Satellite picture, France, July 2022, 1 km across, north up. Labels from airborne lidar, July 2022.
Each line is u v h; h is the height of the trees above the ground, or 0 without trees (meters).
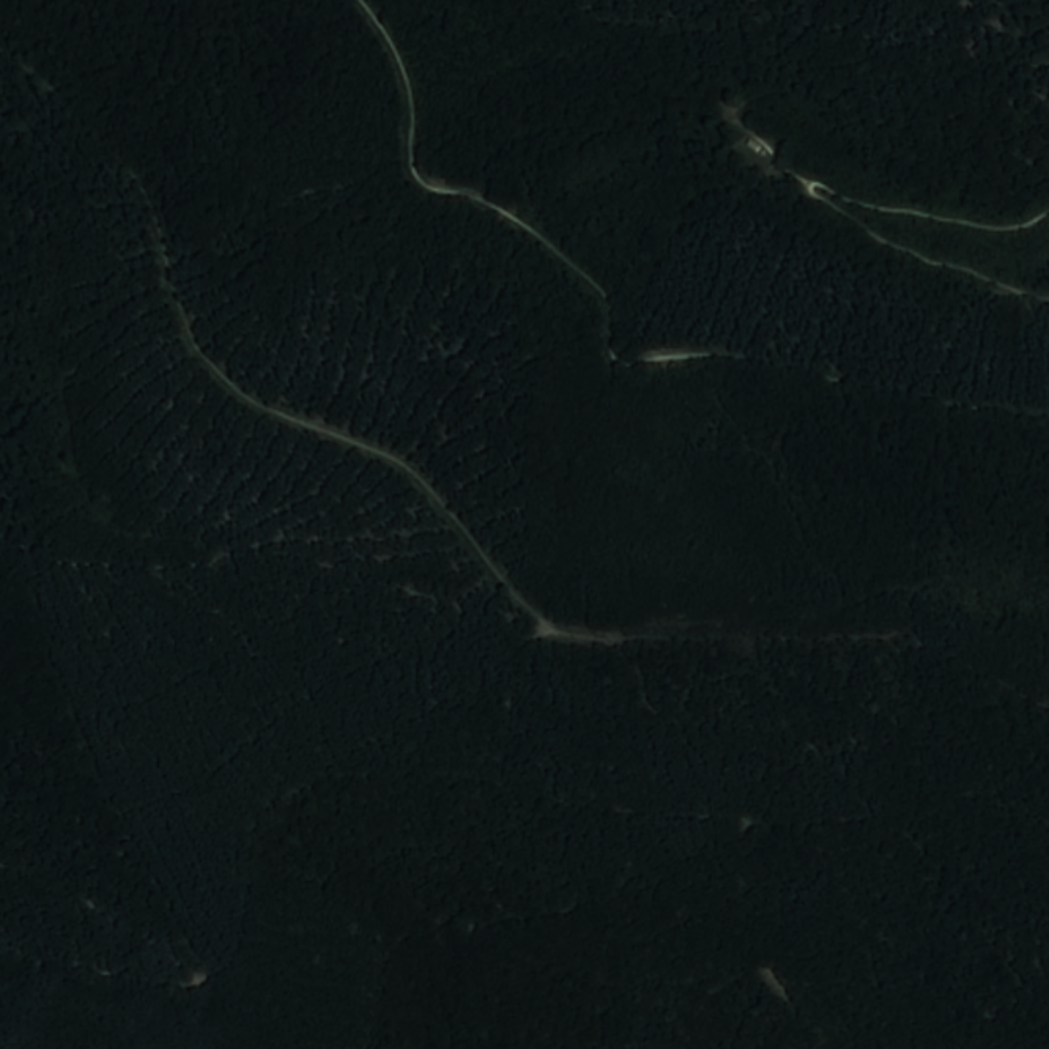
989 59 17
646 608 6
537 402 22
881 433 8
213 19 9
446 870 17
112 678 19
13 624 20
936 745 11
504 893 16
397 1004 18
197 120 16
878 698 14
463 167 17
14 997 20
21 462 28
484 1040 17
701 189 11
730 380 13
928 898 15
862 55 14
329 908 25
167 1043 19
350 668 22
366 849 14
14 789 20
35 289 28
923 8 7
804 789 15
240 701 22
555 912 15
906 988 15
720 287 21
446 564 15
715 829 21
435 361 19
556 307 12
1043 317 15
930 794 16
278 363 18
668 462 9
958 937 12
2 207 23
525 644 8
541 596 8
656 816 15
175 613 17
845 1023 14
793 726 16
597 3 13
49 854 22
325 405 18
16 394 33
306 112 17
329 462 20
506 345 22
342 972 23
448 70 7
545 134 14
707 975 23
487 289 15
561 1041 18
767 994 15
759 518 8
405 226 18
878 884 14
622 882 19
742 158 21
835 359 19
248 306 20
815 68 20
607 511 9
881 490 20
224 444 18
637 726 16
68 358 17
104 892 17
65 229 17
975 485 18
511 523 20
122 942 21
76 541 14
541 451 26
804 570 9
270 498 15
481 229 14
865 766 16
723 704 14
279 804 19
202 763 20
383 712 21
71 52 14
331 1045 20
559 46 7
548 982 12
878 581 14
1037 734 11
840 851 13
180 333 20
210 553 9
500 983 16
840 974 17
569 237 13
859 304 26
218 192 21
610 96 21
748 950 22
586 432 15
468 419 20
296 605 15
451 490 18
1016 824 16
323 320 15
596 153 18
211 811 22
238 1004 18
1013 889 15
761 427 8
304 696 21
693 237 22
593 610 12
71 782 20
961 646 13
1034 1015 15
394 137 18
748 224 18
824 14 23
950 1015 12
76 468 24
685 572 6
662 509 6
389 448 17
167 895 20
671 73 12
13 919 25
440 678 19
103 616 13
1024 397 21
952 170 10
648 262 19
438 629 16
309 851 14
